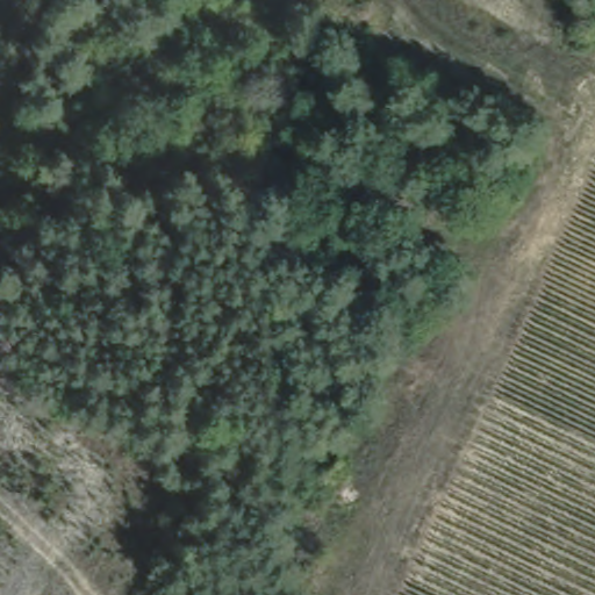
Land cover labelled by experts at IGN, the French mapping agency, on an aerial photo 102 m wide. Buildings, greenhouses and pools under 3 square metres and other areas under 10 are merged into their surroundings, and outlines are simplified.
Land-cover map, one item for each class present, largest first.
<instances>
[{"label":"coniferous trees","instance_id":"1","mask_svg":"<svg viewBox=\"0 0 595 595\"><path fill-rule=\"evenodd\" d=\"M239 2V14L251 12L253 21H258L272 37L281 33V44H293L295 56L284 58L277 65V79H260L246 86L249 93L242 109L218 107L216 102H209L195 126V135L188 146L167 144L158 153H135L128 163H123L102 158L105 151L98 137L102 126L107 123V114L121 109L128 102L130 93L146 100L188 98L184 93V84L158 79L165 70L177 67L186 58V53L181 51V35L174 30L181 23V14L165 7L163 16H153L149 7H139V0H0V137L12 146V156L21 160L23 167L19 177L26 179L21 188H16L12 198L5 202L2 212H16L19 216H28L26 246L14 249L12 253H5L0 258V379H5L12 388H19L33 404H40L44 411L58 409L63 418H74L95 439H116L119 453L132 458V463L146 472V479H135L137 488L142 490V507L128 509L114 523V537L121 546V555L132 560L135 565V576L126 586V595H302L300 590L284 593L277 586V579L281 576V572H291L295 567H314L316 558L323 553L318 537L302 525L304 511L316 509L323 500L335 495L330 486H323V474L330 467H335L337 453L358 446L363 435L353 437L346 430L349 418L358 414H363L367 423L377 430L388 411V390L395 388L393 372L397 367H407L414 358L407 353L409 337H402V309L393 311L383 307L377 298V260L353 256L351 251H337L330 246L328 237H321L316 246L309 249L281 244L279 239L286 232L288 214L284 198L295 193L298 177L307 170L330 172L328 163L316 160L325 132L335 137V146L339 149V153H344L353 146L358 128H367L370 123L377 128V132L388 135V139L402 132V137L411 144L404 153V172L400 174L395 186L404 191L409 181L418 179L421 172L442 167L465 151L490 153L511 146L523 149L528 139L535 137V132L530 123L535 116V107L528 105L518 93H511V88L502 79L486 74L481 67L451 60L439 51H428L418 42L377 35L370 30L365 21H332L318 9L316 0H235ZM23 107L42 109L40 123L44 128H19L16 114ZM107 237H114L116 242H123V237L132 239V246L126 256L128 277L112 274V265H107L105 256L98 251V242ZM216 421H228L232 430L237 425H244V439L228 442L218 449H200L202 430H207ZM553 21L560 23L565 46L581 49L586 56L595 53V0H544Z\"/></svg>","mask_w":595,"mask_h":595},{"label":"herbaceous vegetation","instance_id":"2","mask_svg":"<svg viewBox=\"0 0 595 595\"><path fill-rule=\"evenodd\" d=\"M318 9L332 21H365L370 30L377 35L418 42L428 51H439L451 60L481 67L486 74L502 79L511 88V93H518L528 105L535 107V116L530 123L535 132L544 139V149H549V156L537 174L528 202L521 212H516L509 218L500 235L481 242H467L463 263L474 267V272L479 274V288L474 293V300H465L463 314L458 316L453 328L432 337L414 358L407 367H397L393 372L395 388L388 390V411L377 430L374 435H363L358 446L337 453L335 467H330L323 474V486H330L335 495L323 500L316 509L304 511L302 525L318 537L323 553L316 558L314 567H295L291 572H281V576L277 579V586L284 593L300 590L302 595H402L411 581L407 579V558H402V546H414L421 539L423 525L432 514L430 495L446 488L453 467L458 465V456L465 449V442L476 421L479 404L502 395V383L507 381V372L511 370V360L518 356L516 351L528 349L523 337L528 332V325H532V316L537 314L544 298V274L553 265L551 244L562 237V225L569 221L574 207L581 202L583 186L595 172V53L586 56L581 49L565 46L560 23L553 21L544 0H316ZM23 167L21 160L12 156V146L0 137V258L5 253H12L14 249L26 246L28 216H19L16 212H2L5 202L12 198L16 188H21L26 179L19 177ZM146 479V472L132 463V458L119 453L116 439H95L74 418H63L58 409L44 411L40 404H33L19 388H12L5 379H0V595H126V586L135 576V565L132 560L121 555V546L114 537V523L128 509L142 507V490L137 488L135 479Z\"/></svg>","mask_w":595,"mask_h":595},{"label":"deciduous trees","instance_id":"3","mask_svg":"<svg viewBox=\"0 0 595 595\"><path fill-rule=\"evenodd\" d=\"M139 7H149L153 16H163L165 7L181 14V23L174 30L181 35V51L186 53V58L177 67L165 70L158 79L184 84V93L188 98L146 100L130 93L128 102L121 109L107 114V123L102 126L98 137L105 151L102 158L123 163H128L135 153H158L167 144L188 146L195 135V126L209 102H216L218 107L242 109L249 93L246 86L260 79H277V65L284 58L295 56L293 44H281V33L272 37L258 21H253L251 12L239 14V2L235 0H139ZM42 109L23 107L16 114L19 128H44L40 123ZM353 146L344 153H339V149L335 146V137L325 132L316 160L328 163L330 172L307 170L298 177L295 193L284 198L288 214L286 232L279 239L281 244L309 249L316 246L321 237H328L330 246L337 251H351L353 256L377 260V298L383 307L393 311L402 309V337H409L407 353L414 358L432 337L453 328L458 316L463 314L465 300H474V293L479 288V274L474 272V267L463 263L467 242H481L500 235L509 218L516 212H521L528 202L537 174L549 156V149H544V139L535 132V137L528 139L523 149L511 146L490 153L465 151L442 167L421 172L418 179L409 181L404 191L395 186L400 174L404 172V153L411 144L402 137V132L388 139V135L377 132V128L370 123L367 128H358ZM132 246V239L123 237V242H116L114 237H107L98 242V251L105 256L107 265H112V274L128 277L126 256ZM346 430L353 437L363 435H374L377 430L367 423L363 414H358L349 418ZM244 439V425H237L232 430L228 421H216L207 430H202L200 449H218L228 442Z\"/></svg>","mask_w":595,"mask_h":595},{"label":"vineyard","instance_id":"4","mask_svg":"<svg viewBox=\"0 0 595 595\"><path fill-rule=\"evenodd\" d=\"M553 265L544 274V298L537 314L532 316V325H528V332L523 337L528 349L516 351L518 356L511 360V370L507 372V381L502 383V395L479 404L476 421L465 442V449L458 456V465L453 467L446 488L430 495L432 514L423 525L421 539L414 546H402V558H407V579L411 581L402 595H595V172L583 186L581 202L574 207L569 221L562 225V237L551 244Z\"/></svg>","mask_w":595,"mask_h":595}]
</instances>
